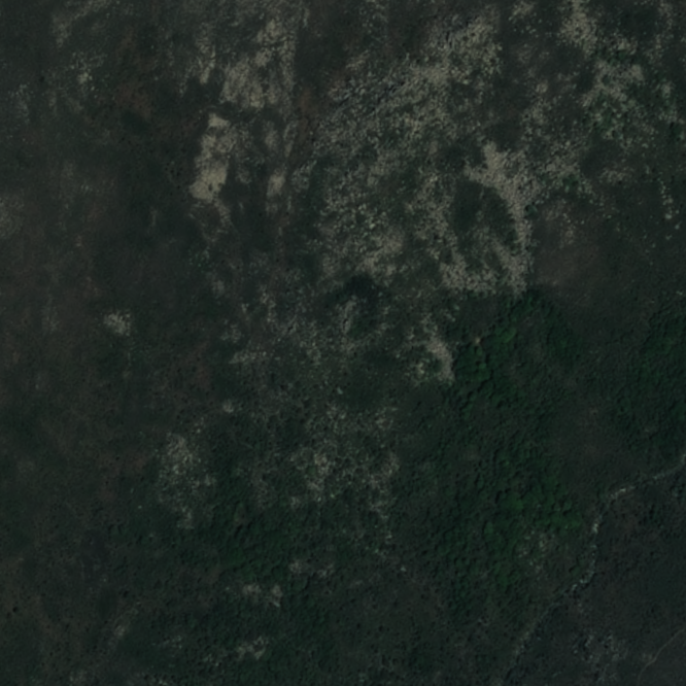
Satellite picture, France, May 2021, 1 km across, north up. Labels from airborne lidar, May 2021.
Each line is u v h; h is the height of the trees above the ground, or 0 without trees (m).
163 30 0
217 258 0
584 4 8
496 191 7
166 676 6
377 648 7
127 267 0
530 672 8
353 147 0
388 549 13
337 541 10
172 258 0
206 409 6
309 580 8
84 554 0
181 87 0
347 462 7
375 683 9
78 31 0
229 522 10
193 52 0
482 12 0
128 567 7
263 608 9
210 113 0
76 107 0
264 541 6
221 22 0
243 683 13
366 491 6
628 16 6
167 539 9
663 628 0
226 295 0
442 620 6
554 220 0
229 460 7
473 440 12
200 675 8
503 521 15
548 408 8
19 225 0
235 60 0
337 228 0
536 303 16
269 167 0
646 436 9
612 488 7
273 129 0
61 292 0
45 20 0
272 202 0
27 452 0
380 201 0
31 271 0
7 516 0
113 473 0
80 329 0
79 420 0
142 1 0
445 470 9
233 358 0
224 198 0
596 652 0
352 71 0
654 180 7
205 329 0
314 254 0
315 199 0
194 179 0
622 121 7
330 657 9
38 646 0
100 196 0
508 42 0
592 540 7
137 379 0
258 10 0
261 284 0
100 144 0
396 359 6
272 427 12
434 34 0
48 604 0
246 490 8
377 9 0
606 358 6
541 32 0
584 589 11
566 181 8
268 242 0
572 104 0
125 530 13
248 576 11
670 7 0
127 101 0
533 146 0
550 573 7
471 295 11
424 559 6
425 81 7
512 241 7
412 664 10
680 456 11
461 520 13
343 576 8
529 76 0
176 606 13
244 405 6
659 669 0
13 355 0
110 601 0
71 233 0
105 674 0
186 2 0
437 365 10
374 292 14
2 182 0
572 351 13
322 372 0
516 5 0
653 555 9
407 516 10
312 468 10
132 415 0
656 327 9
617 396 7
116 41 0
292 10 0
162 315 0
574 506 7
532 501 20
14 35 0
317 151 0
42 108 0
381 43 0
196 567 6
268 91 0
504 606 10
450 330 9
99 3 0
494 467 13
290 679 15
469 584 7
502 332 13
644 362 8
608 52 7
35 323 0
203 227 0
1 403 0
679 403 15
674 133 7
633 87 7
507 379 14
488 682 10
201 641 9
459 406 7
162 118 0
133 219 0
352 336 8
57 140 0
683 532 6
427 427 9
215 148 0
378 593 7
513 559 9
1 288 0
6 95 0
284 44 0
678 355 6
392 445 6
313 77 0
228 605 6
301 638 11
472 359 15
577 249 0
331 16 0
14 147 0
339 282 0
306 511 11
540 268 0
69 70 0
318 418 9
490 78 0
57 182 0
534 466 12
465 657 9
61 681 6
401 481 9
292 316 0
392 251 0
